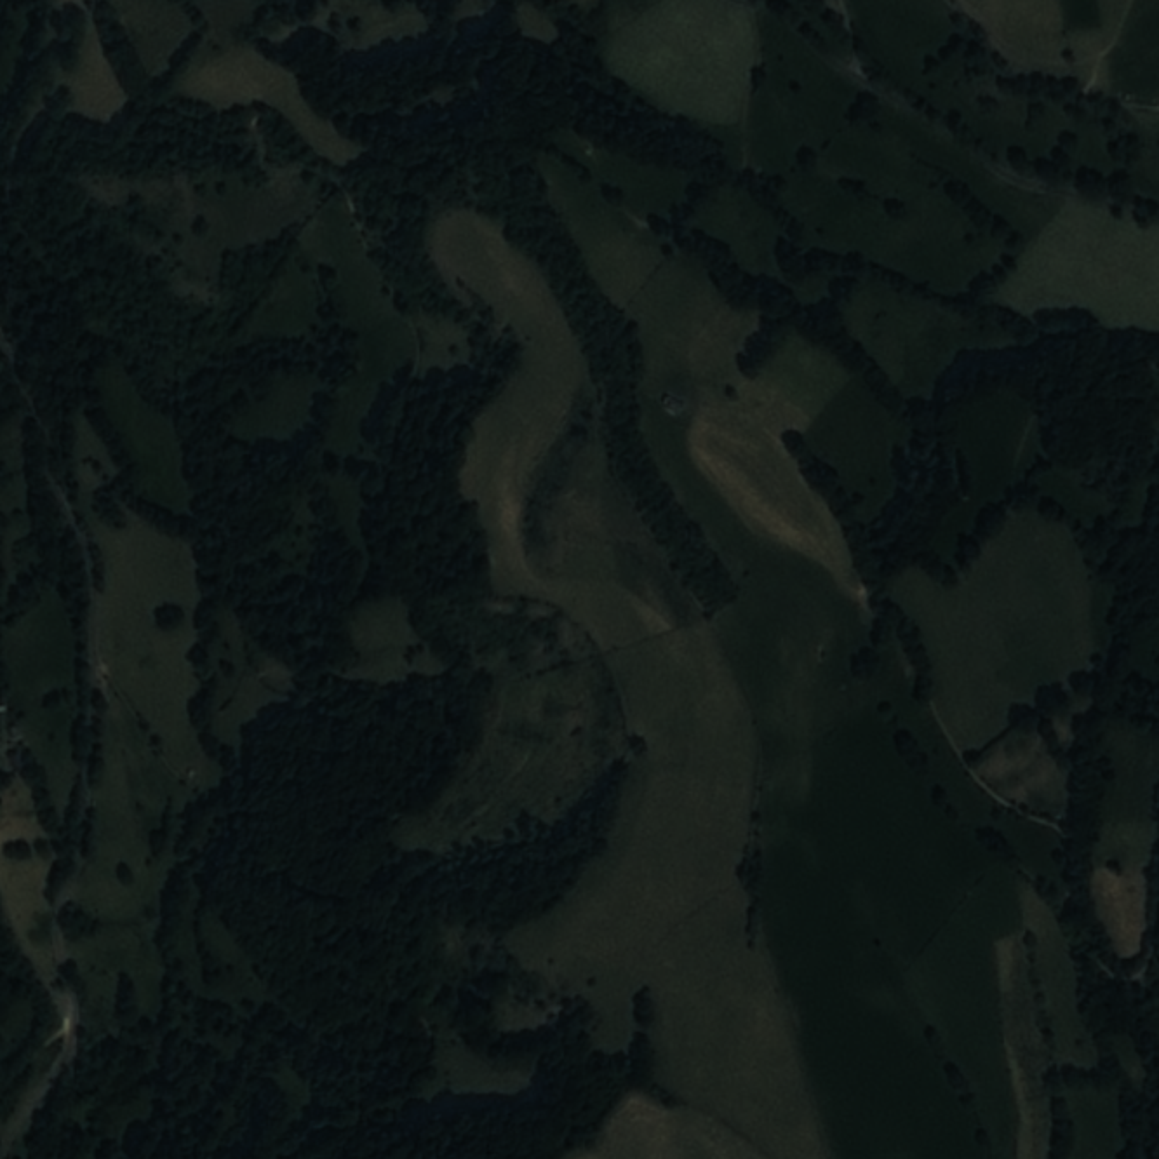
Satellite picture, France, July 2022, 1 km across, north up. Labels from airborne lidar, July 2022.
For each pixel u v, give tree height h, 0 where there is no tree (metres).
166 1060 21
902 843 0
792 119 0
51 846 12
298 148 8
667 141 30
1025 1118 0
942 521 20
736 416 0
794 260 29
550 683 0
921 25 0
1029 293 0
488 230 0
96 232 7
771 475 0
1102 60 0
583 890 0
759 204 15
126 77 21
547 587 0
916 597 0
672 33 0
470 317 9
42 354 29
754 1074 0
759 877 12
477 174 8
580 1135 13
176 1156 22
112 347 7
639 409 15
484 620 6
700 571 7
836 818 0
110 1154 13
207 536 24
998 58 10
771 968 0
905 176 0
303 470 25
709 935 0
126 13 0
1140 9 0
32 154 20
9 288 27
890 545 17
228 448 21
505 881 24
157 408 10
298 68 13
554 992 6
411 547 14
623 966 0
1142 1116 16
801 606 0
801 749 0
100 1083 26
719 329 0
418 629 17
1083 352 32
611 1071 16
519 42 31
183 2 11
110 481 7
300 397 0
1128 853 0
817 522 0
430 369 0
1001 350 0
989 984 0
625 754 0
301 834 31
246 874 28
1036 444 0
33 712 0
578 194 0
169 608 10
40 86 19
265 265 16
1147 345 22
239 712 0
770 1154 0
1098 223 0
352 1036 19
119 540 0
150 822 0
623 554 0
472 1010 28
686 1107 0
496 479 0
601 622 0
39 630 0
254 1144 24
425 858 14
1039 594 0
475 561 16
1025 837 0
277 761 23
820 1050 0
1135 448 25
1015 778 0
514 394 0
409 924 14
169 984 15
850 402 0
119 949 0
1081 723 17
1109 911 0
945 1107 0
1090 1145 0
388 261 16
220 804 18
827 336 19
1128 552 18
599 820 20
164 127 18
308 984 28
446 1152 31
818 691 0
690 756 0
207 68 0
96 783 17
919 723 0
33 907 0
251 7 0
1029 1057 0
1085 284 0
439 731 20
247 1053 8
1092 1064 0
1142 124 0
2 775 13
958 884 0
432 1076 16
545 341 0
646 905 0
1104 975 6
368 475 22
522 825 13
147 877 0
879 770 0
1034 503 13
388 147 19
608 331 23
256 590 18
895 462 0
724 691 0
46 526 23
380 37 0
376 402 0
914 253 0
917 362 0
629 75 0
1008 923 0
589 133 24
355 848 27
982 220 22
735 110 0
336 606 24
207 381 23
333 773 22
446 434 22
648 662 0
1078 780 16
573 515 0
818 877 0
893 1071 0
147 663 0
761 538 0
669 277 0
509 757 0
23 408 10
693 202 18
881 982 0
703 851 0
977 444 0
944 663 0
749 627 0
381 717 31
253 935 26
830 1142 0
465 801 0
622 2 0
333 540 24
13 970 5
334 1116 30
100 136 20
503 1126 28
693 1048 0
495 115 27
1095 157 0
